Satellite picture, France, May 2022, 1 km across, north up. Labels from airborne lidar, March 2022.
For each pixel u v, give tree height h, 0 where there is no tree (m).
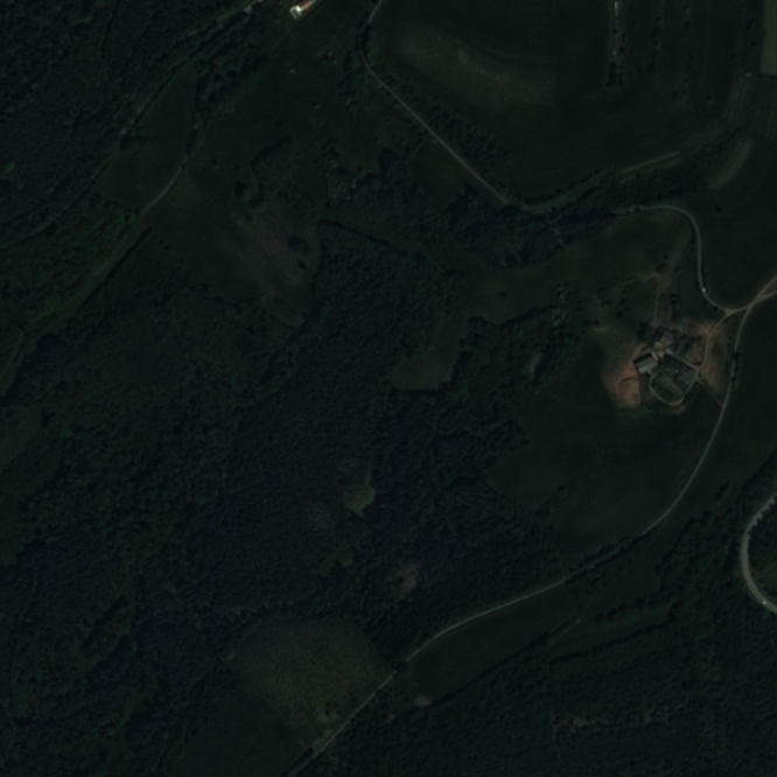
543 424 0
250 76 20
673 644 9
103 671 18
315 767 20
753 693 11
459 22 0
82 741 18
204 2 0
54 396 25
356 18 0
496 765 11
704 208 0
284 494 25
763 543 9
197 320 17
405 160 7
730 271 0
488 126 0
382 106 0
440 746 9
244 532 20
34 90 12
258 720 0
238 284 0
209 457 27
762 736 11
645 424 0
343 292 25
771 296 0
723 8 0
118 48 15
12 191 27
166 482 23
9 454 0
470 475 13
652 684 13
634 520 0
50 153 23
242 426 25
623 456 0
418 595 11
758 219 0
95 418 24
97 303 8
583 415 0
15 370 0
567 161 0
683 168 0
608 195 0
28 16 27
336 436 23
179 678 34
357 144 0
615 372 0
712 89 0
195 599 29
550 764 11
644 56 0
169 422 23
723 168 0
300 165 0
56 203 30
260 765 0
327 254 20
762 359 0
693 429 0
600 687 15
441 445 20
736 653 10
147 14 16
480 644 0
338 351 23
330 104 0
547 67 0
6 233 23
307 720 0
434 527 21
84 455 23
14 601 25
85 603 29
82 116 18
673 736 10
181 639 32
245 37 19
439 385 0
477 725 11
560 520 0
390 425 28
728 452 0
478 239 29
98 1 17
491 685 13
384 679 0
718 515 0
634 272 0
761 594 0
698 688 19
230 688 11
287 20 0
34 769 25
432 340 19
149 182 0
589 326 10
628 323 0
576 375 0
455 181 0
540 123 0
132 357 15
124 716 19
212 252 0
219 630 27
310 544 26
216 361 22
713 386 0
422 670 0
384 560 29
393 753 12
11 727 23
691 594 19
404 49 0
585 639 0
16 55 26
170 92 0
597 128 0
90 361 18
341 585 32
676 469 0
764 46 0
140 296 17
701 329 0
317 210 14
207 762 0
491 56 0
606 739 10
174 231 0
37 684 19
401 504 30
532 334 21
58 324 0
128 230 16
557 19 0
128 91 14
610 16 0
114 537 24
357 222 17
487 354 21
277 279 0
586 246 0
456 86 0
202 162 0
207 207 0
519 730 11
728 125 0
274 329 16
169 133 0
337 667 0
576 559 0
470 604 8
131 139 15
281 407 23
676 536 0
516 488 0
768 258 0
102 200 18
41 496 14
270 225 0
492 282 0
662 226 0
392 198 27
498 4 0
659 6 0
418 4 0
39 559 23
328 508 22
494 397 15
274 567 23
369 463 23
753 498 21
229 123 0
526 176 0
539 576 10
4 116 17
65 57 12
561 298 7
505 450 19
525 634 0
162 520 23
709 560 18
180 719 11
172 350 14
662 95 0
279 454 24
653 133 0
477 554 9
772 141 0
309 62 0
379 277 22
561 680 11
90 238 23
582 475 0
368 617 10
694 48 0
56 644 25
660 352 0
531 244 30
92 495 28
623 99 0
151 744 34
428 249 18
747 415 0
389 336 28
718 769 8
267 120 0
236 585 30
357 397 25
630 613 15
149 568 30
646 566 0
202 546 33
